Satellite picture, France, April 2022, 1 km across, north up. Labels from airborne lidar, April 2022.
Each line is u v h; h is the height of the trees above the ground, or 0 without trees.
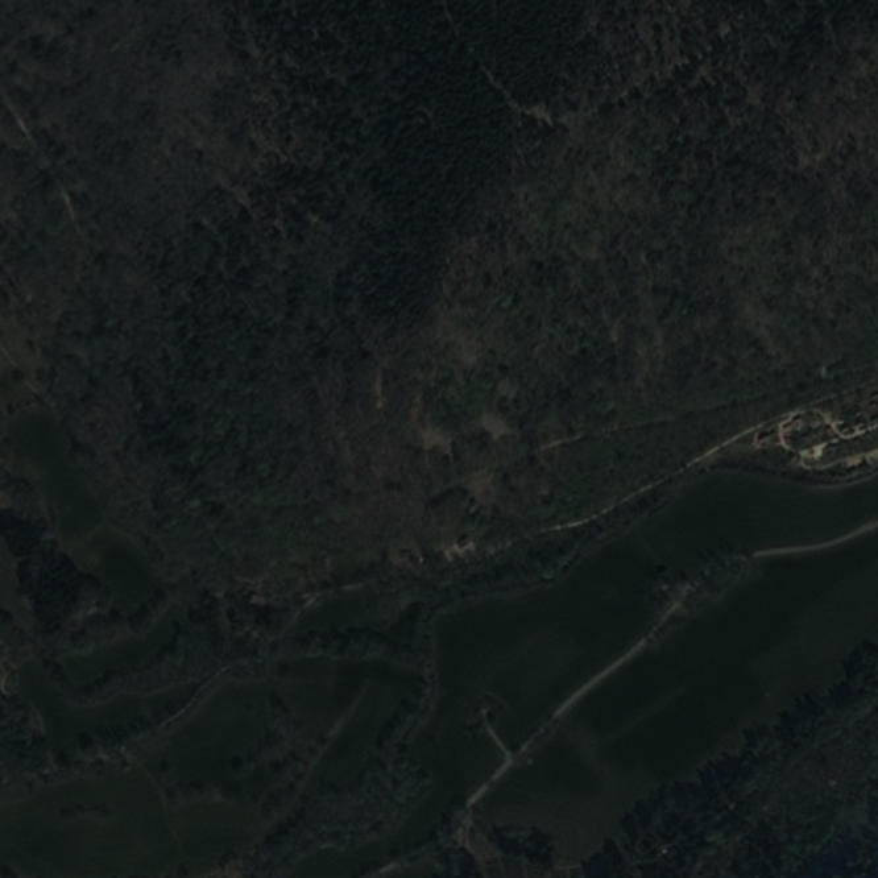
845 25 32
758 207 26
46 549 22
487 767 0
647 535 0
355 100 32
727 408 12
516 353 7
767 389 12
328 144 27
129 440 18
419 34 26
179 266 29
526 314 18
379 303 27
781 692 0
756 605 0
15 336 0
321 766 0
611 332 21
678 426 16
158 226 26
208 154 21
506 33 22
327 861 0
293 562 18
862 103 34
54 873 0
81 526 0
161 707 0
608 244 22
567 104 19
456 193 25
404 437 35
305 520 28
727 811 28
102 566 0
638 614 0
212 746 0
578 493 17
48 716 0
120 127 30
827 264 26
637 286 28
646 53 22
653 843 30
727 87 29
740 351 20
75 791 0
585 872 0
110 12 22
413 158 29
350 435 31
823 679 0
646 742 0
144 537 25
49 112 24
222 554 28
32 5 22
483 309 20
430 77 20
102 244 10
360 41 38
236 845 0
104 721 0
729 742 0
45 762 24
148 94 23
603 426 25
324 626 0
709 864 10
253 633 9
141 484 29
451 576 23
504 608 0
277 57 25
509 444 21
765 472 15
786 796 7
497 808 0
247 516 22
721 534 0
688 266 29
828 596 0
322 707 0
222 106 15
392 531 28
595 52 25
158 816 0
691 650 0
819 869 10
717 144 22
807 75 32
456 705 0
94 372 9
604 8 23
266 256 27
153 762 0
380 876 20
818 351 25
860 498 0
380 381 26
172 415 25
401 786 24
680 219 24
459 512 32
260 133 23
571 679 0
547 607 0
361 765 0
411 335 27
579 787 0
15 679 25
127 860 0
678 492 13
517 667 0
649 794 0
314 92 30
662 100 25
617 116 18
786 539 0
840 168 32
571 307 22
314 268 24
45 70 26
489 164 21
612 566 0
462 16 27
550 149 24
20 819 0
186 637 24
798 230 23
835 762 18
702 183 27
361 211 25
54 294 22
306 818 14
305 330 25
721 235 26
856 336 10
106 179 32
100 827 0
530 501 24
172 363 11
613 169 23
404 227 29
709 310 30
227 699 0
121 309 30
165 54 16
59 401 22
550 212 18
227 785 0
